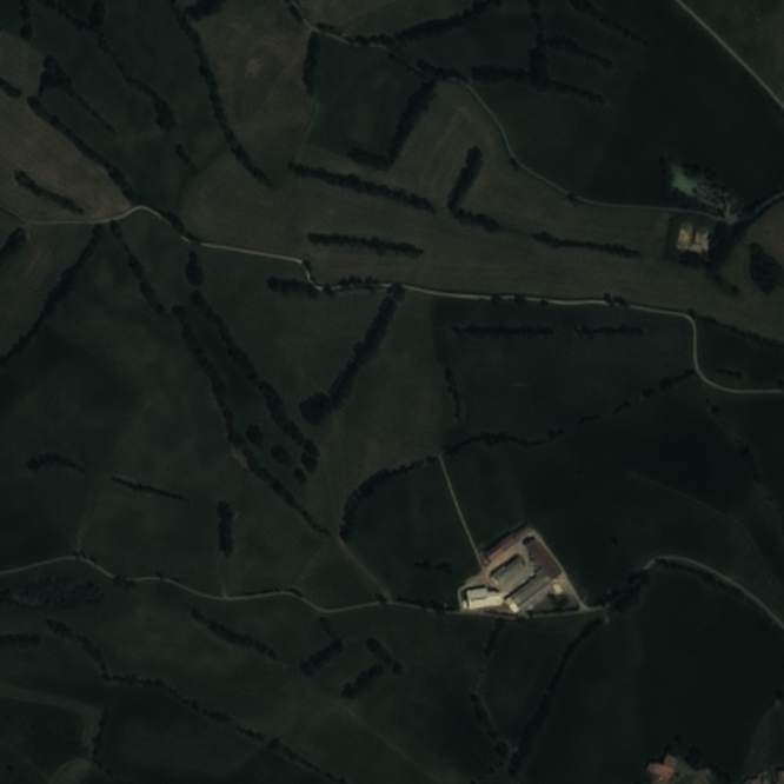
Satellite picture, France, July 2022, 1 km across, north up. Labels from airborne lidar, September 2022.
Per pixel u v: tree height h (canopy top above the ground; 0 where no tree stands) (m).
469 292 0
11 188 0
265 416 0
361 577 0
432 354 0
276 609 0
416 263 0
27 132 0
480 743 0
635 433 0
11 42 0
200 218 0
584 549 0
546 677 0
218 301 0
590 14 15
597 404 0
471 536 0
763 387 0
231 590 0
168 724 0
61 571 0
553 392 0
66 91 12
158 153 0
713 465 0
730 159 0
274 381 0
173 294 0
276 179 0
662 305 0
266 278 0
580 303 0
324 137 0
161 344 0
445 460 0
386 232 0
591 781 0
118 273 0
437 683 0
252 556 0
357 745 0
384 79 0
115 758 0
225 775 0
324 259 0
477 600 0
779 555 0
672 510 0
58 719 0
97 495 0
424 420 0
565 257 0
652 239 0
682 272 0
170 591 0
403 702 0
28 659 0
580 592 0
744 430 0
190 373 0
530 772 0
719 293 0
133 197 17
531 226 0
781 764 0
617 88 0
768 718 0
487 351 0
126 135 0
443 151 0
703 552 0
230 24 0
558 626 0
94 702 0
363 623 0
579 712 0
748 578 0
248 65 0
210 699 0
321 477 0
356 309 0
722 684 0
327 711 0
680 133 0
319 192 0
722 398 0
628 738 0
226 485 0
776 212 0
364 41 15
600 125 0
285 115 0
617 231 0
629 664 0
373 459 0
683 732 0
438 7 0
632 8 0
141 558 0
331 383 0
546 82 19
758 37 0
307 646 0
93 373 0
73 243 0
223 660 0
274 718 0
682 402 0
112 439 0
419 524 0
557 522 0
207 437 0
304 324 0
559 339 0
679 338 0
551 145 0
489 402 0
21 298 0
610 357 0
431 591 0
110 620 0
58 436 0
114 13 0
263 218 0
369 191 17
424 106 18
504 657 0
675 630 0
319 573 0
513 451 0
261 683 0
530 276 0
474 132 0
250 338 0
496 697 0
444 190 0
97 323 0
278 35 0
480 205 0
